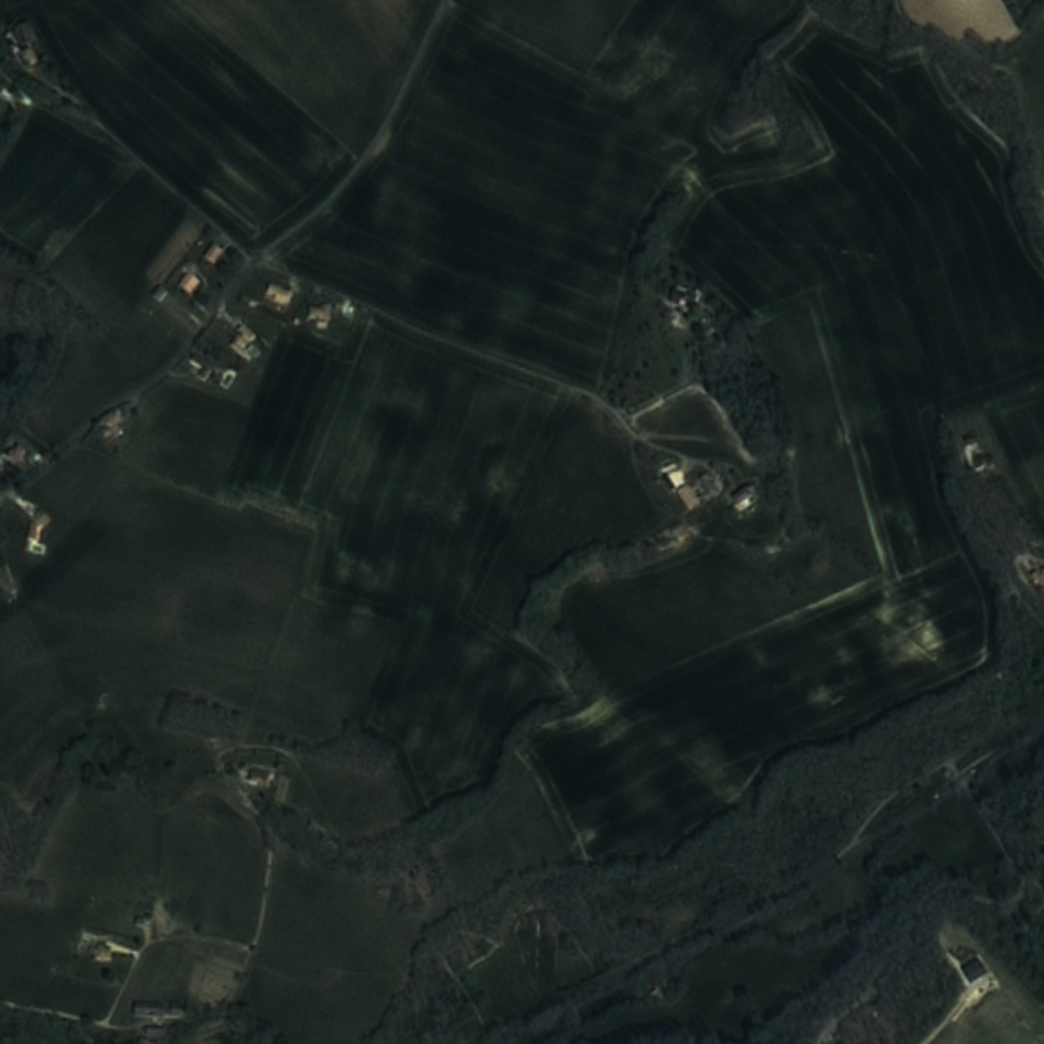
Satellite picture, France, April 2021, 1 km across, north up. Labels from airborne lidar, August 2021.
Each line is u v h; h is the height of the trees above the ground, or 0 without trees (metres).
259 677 0
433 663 0
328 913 0
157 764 0
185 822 0
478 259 0
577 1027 15
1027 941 14
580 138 0
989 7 0
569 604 0
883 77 0
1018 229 0
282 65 0
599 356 0
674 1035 20
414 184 0
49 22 0
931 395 0
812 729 0
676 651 0
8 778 0
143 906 0
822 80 0
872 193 0
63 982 0
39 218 0
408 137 0
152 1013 0
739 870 13
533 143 0
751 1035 14
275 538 0
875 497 0
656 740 0
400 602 0
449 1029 22
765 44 12
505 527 0
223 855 0
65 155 0
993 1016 0
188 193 0
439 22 0
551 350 0
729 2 0
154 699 0
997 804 20
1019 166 16
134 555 0
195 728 17
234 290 0
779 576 9
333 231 0
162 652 0
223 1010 11
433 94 0
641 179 0
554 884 22
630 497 0
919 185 0
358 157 0
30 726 0
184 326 0
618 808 0
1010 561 20
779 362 0
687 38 0
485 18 0
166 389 0
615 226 0
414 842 19
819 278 0
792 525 11
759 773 0
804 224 0
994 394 0
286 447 0
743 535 0
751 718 0
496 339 0
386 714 0
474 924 14
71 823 0
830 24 17
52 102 12
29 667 0
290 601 0
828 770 19
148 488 0
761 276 0
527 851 0
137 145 0
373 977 0
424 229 0
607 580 0
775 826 24
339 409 0
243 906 0
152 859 0
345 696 0
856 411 0
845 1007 15
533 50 0
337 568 0
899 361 0
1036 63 0
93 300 0
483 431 0
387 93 0
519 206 0
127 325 0
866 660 0
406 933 0
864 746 20
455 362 0
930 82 0
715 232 0
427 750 0
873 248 0
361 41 0
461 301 0
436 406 0
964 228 0
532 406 0
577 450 0
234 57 0
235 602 0
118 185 0
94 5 0
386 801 0
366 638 0
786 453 14
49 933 0
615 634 0
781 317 0
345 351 0
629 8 0
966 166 0
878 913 16
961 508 22
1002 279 0
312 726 0
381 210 0
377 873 13
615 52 0
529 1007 0
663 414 0
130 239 0
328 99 0
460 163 0
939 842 0
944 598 0
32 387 17
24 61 7
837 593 0
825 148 0
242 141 0
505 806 0
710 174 0
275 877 0
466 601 0
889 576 0
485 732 0
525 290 0
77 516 0
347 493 0
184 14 0
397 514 0
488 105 0
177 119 0
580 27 0
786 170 0
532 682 0
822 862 18
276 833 21
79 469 0
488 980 0
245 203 0
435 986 16
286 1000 0
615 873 15
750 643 0
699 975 0
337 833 0
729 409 17
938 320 0
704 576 0
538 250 0
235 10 0
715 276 0
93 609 0
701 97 0
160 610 0
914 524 0
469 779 0
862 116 0
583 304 0
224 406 0
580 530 0
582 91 0
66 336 13
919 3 0
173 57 0
